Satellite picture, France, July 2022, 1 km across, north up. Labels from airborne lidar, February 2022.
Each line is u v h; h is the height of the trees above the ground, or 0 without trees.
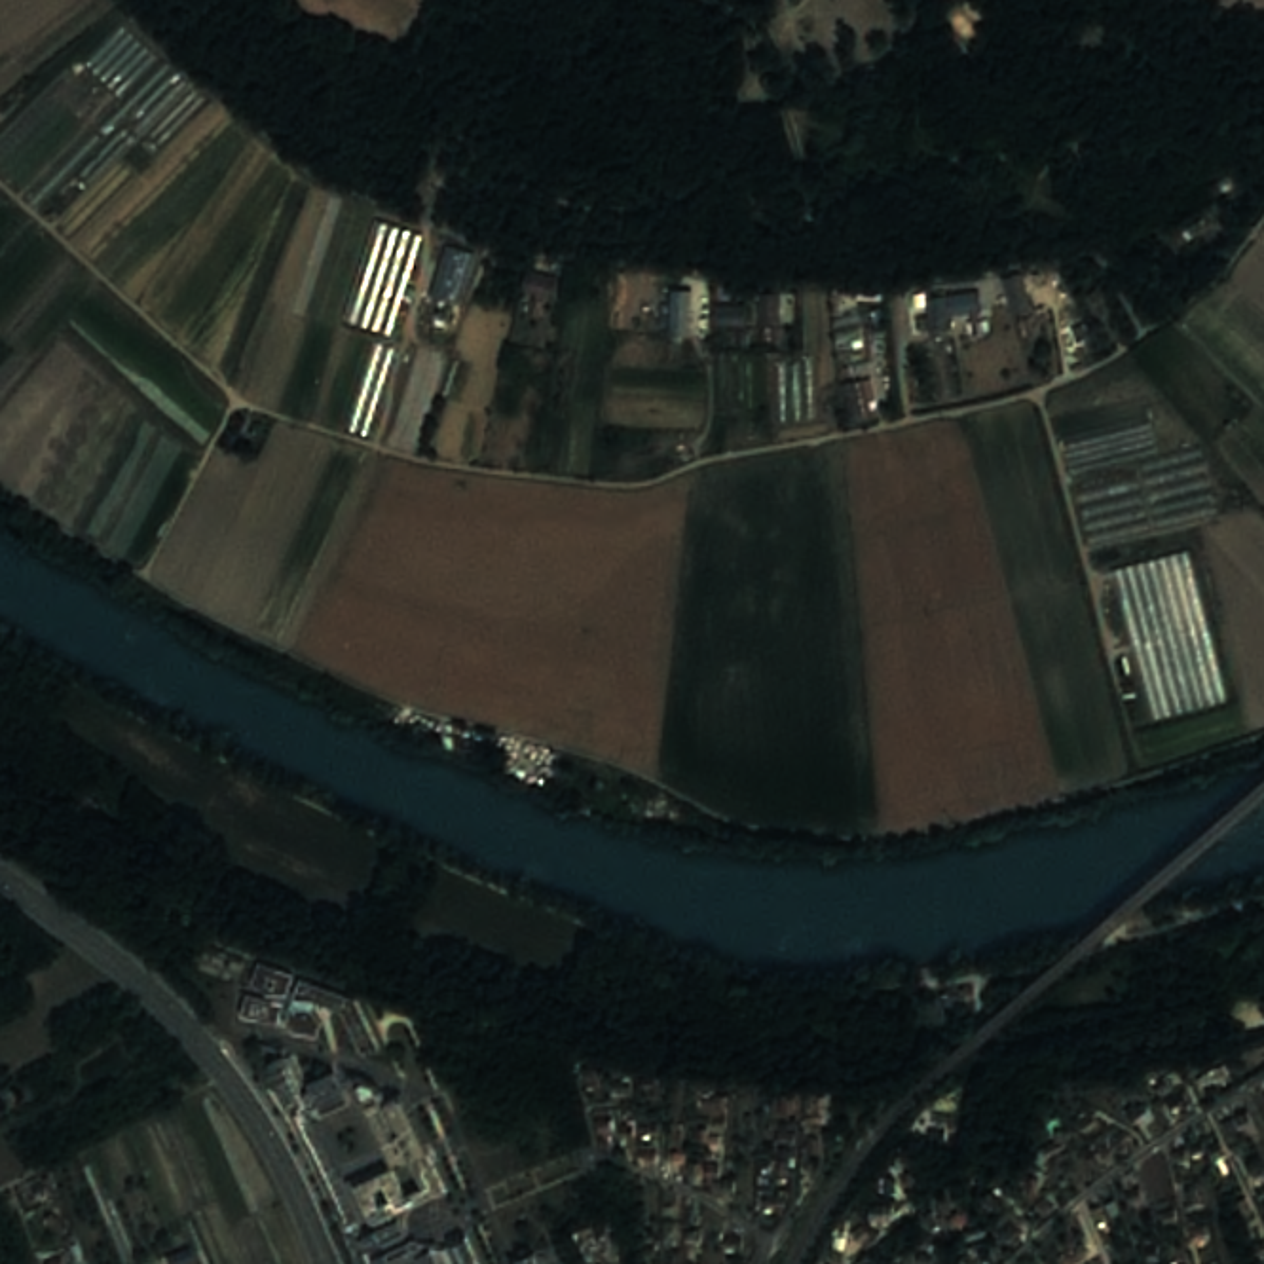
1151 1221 14
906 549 0
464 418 0
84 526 0
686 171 14
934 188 8
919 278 14
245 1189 0
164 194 0
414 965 22
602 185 11
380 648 0
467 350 0
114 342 0
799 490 0
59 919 0
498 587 0
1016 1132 11
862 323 0
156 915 15
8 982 18
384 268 0
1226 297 0
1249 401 0
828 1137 10
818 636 0
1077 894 0
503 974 18
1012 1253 6
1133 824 0
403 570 0
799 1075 14
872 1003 21
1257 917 19
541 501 0
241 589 0
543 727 0
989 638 0
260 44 18
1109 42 10
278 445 0
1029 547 0
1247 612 0
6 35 0
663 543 0
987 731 0
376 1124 0
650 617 0
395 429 0
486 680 0
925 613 0
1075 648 0
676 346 0
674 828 13
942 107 6
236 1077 0
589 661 0
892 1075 23
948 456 0
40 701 19
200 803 0
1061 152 15
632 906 0
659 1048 25
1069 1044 30
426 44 22
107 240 0
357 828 12
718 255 15
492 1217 0
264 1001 0
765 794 0
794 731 0
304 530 0
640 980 23
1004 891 0
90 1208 7
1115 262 10
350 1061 0
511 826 0
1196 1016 22
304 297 0
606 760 0
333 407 0
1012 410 0
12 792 25
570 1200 0
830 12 0
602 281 0
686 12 18
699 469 0
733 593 0
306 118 14
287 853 0
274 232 0
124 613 0
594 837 0
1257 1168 13
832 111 6
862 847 14
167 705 0
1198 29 19
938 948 0
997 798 0
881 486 0
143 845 16
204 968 0
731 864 0
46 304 0
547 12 18
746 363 0
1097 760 0
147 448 0
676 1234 0
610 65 15
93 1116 10
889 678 0
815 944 0
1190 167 19
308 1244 0
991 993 6
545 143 15
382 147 16
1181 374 0
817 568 0
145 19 18
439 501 0
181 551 0
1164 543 0
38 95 0
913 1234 13
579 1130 11
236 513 0
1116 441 0
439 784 0
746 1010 22
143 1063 14
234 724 0
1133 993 10
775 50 11
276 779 12
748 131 17
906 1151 15
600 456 0
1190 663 0
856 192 21
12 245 0
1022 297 0
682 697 0
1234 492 0
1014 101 22
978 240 11
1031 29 17
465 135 10
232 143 0
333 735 0
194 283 0
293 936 21
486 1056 7
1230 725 0
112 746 0
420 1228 0
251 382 0
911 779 0
